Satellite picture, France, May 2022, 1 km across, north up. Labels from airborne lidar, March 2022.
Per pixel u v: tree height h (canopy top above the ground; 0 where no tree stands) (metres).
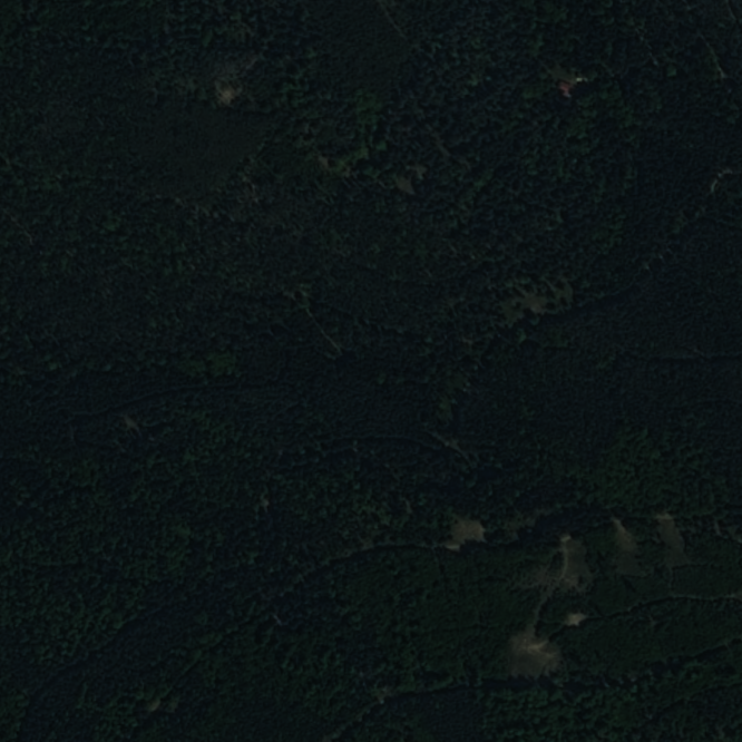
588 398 23
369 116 20
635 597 10
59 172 18
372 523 19
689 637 11
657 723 13
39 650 26
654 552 8
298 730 13
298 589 13
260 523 25
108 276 25
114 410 25
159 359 28
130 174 18
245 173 28
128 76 18
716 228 22
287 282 26
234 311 22
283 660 28
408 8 11
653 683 11
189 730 15
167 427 26
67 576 28
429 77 23
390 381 25
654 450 19
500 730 22
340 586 16
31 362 26
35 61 21
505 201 27
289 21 15
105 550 30
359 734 11
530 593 7
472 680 16
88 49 19
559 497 21
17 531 27
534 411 19
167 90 15
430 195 25
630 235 26
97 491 27
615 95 28
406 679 13
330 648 18
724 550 14
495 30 30
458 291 25
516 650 0
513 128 22
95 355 28
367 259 20
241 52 21
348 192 29
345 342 24
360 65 16
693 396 19
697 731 10
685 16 28
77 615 27
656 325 21
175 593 32
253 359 27
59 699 26
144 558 29
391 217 22
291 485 26
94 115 17
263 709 17
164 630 27
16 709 21
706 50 23
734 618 10
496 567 10
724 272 19
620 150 32
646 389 24
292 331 23
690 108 28
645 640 9
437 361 20
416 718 11
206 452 22
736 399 19
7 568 29
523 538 23
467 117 26
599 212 24
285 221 30
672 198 28
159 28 9
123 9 9
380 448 27
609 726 6
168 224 24
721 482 21
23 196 21
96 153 20
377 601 18
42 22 12
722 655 17
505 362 25
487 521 17
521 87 23
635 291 21
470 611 10
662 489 27
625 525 15
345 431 23
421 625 17
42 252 25
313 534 27
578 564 0
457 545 0
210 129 19
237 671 16
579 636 11
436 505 24
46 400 28
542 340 22
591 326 25
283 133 12
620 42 33
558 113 29
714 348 17
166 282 24
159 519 26
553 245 25
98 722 26
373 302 22
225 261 27
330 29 12
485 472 14
